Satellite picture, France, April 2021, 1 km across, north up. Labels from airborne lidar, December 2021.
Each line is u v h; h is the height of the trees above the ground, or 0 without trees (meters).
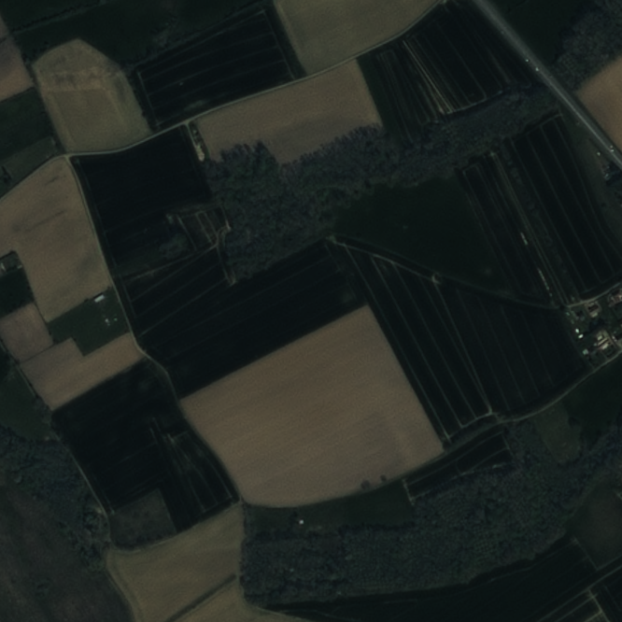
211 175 16
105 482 0
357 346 0
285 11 0
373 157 30
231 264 18
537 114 24
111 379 0
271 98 0
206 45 0
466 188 0
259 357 0
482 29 0
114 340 0
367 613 0
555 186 0
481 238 0
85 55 0
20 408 0
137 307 0
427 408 0
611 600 0
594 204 0
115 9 0
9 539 0
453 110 0
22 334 0
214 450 0
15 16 0
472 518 26
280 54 0
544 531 21
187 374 0
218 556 0
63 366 0
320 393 0
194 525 0
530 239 0
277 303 0
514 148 0
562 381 0
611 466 28
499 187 0
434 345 0
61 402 0
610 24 31
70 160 0
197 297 0
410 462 0
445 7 0
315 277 0
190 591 0
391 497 0
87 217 0
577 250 0
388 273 0
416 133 0
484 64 0
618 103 0
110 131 0
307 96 0
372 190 29
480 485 17
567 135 0
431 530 24
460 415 0
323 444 0
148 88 0
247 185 30
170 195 0
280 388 0
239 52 0
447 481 0
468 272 0
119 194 0
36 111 0
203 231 0
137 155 0
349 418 0
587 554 0
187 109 0
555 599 0
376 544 25
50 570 0
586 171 0
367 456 0
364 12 0
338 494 0
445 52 0
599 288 0
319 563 25
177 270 0
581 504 12
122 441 0
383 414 0
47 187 0
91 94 0
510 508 20
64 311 0
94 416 0
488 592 0
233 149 0
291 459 0
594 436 0
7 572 0
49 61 0
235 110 0
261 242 23
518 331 0
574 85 26
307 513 0
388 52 0
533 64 0
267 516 0
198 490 0
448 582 16
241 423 0
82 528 18
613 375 0
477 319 0
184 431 0
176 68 0
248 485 0
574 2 0
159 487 0
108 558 0
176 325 0
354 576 24
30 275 0
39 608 0
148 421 0
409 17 0
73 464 7
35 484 17
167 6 0
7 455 33
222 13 0
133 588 0
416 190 0
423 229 0
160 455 0
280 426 0
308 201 23
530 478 25
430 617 0
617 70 0
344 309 0
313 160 15
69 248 0
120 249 0
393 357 0
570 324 0
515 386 0
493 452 0
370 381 0
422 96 0
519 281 0
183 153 0
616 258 0
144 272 0
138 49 0
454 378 0
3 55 0
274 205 31
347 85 0
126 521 0
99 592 0
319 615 0
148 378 0
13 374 0
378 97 0
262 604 21
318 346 0
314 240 8
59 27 0
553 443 0
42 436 0
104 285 0
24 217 0
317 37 0
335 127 0
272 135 0
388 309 0
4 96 0
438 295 0
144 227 0
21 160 0
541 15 0
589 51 28
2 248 0
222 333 0
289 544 27
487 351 0
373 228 0
